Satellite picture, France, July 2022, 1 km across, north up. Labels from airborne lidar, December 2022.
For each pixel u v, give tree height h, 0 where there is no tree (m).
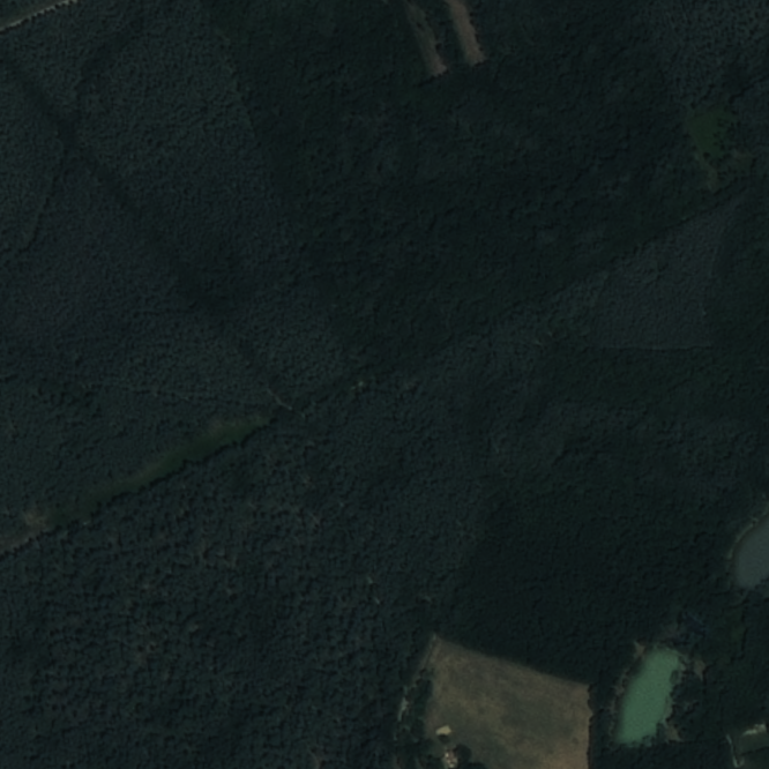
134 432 23
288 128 26
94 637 13
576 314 24
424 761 15
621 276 15
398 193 13
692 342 16
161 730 26
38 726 23
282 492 29
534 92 16
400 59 20
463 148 21
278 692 23
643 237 19
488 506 21
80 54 24
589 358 20
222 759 25
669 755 19
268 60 19
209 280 22
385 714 24
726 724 16
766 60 11
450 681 0
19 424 22
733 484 21
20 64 23
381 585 24
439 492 26
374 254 24
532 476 12
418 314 19
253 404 23
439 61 0
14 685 22
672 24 25
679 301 15
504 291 20
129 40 21
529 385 23
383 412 25
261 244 27
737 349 18
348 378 20
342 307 21
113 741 20
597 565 12
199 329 24
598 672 13
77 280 14
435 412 27
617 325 17
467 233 26
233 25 15
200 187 24
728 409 17
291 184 21
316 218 21
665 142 26
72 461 24
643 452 19
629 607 18
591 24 19
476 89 18
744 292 13
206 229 23
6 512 24
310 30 20
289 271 21
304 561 23
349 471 21
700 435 21
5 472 24
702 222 13
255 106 23
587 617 17
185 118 21
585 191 25
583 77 17
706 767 12
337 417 22
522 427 27
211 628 20
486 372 20
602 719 14
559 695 0
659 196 17
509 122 16
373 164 27
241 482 15
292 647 20
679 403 18
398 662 18
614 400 23
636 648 18
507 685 0
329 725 31
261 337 18
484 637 18
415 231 24
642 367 12
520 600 10
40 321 11
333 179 28
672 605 17
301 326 22
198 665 9
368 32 23
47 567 28
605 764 18
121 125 20
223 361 24
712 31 22
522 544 10
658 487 13
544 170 8
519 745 0
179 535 30
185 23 25
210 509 24
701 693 18
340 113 18
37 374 20
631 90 15
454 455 27
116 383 23
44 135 22
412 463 24
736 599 12
